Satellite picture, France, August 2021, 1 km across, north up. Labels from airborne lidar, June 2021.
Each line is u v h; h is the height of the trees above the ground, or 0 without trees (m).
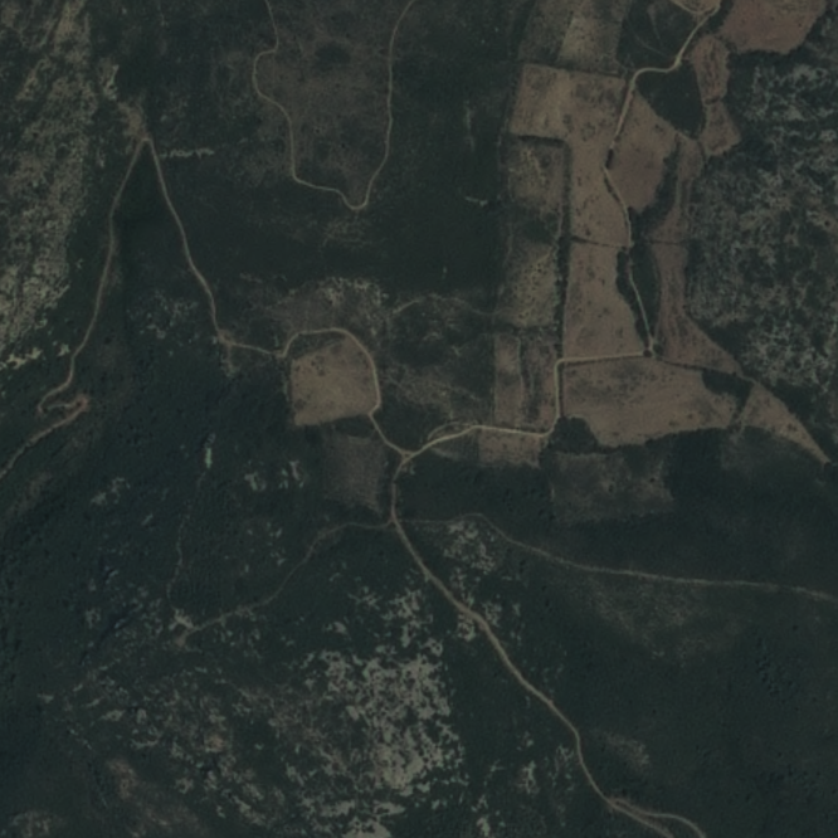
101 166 0
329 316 0
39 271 0
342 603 0
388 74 0
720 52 0
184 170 0
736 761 6
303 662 0
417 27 0
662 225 0
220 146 0
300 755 0
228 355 0
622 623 0
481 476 7
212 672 0
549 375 0
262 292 0
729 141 0
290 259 0
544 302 0
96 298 0
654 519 6
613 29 0
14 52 0
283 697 0
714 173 0
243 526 0
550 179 0
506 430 0
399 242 0
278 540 0
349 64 0
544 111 0
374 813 0
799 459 0
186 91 0
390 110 0
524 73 0
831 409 0
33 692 0
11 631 8
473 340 0
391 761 0
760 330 0
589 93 0
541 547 0
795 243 0
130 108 0
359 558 0
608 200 0
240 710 0
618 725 0
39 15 0
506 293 0
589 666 7
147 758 8
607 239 0
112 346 12
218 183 0
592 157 0
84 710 0
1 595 9
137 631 0
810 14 0
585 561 0
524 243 0
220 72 0
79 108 0
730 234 0
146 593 0
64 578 0
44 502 6
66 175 0
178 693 0
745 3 0
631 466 0
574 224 0
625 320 0
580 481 0
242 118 0
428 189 0
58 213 0
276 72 0
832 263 0
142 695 0
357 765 0
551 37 0
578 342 0
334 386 0
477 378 0
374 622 0
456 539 0
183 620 0
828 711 0
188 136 0
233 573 0
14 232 0
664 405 0
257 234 0
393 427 0
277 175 0
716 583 0
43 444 9
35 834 0
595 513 0
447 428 0
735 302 0
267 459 0
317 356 0
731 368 0
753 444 0
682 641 0
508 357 0
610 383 0
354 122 0
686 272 7
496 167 0
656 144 0
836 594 0
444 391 0
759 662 10
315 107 0
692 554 0
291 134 0
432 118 0
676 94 0
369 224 0
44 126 0
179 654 0
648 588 0
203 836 0
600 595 0
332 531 0
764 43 0
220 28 0
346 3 0
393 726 0
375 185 0
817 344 0
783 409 0
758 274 0
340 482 0
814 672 0
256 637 0
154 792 0
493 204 9
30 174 0
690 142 0
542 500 7
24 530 13
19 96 0
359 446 0
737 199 0
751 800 9
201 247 0
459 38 0
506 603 6
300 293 0
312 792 0
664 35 0
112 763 0
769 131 0
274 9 0
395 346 0
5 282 0
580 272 0
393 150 0
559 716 0
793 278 0
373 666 0
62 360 11
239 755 0
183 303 0
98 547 0
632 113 0
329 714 0
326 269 0
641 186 0
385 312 0
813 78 0
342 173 0
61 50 0
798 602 0
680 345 0
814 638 0
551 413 0
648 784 7
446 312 0
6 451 8
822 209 0
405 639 0
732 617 0
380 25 0
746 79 0
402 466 0
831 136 0
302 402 0
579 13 0
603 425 0
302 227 0
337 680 0
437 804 0
